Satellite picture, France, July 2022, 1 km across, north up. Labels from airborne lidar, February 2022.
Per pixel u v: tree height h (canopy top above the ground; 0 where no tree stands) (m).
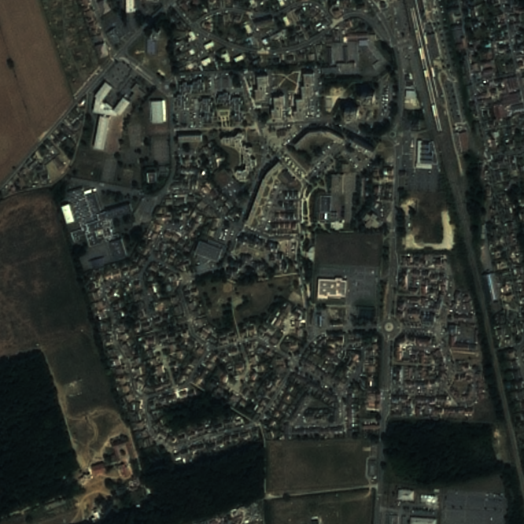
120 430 0
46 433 17
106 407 0
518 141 0
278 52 0
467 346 0
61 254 0
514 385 6
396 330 0
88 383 0
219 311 0
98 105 0
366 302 0
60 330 0
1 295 0
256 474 18
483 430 9
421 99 0
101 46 0
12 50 0
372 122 0
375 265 0
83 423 0
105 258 0
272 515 0
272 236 0
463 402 0
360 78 13
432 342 0
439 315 0
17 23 0
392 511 0
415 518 0
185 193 0
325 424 0
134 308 9
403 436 17
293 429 0
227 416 8
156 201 0
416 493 0
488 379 14
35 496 24
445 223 0
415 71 0
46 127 0
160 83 0
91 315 11
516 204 10
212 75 0
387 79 0
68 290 0
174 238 0
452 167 0
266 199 0
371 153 0
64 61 0
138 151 8
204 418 20
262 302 0
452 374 0
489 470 14
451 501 0
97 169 0
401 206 0
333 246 0
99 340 15
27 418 15
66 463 11
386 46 10
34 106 0
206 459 24
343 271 0
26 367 21
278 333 0
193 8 12
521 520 8
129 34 0
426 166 0
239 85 9
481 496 0
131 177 0
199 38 0
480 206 11
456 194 0
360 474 0
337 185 0
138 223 0
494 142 0
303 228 10
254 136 0
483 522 0
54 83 0
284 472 0
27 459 19
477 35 0
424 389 0
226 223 9
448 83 0
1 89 0
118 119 0
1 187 0
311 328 0
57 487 17
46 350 0
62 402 0
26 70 0
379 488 0
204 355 0
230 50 0
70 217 0
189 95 0
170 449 0
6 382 21
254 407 9
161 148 0
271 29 0
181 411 13
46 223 0
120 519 26
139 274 0
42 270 0
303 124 0
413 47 0
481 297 0
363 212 12
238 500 22
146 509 17
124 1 0
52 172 0
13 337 0
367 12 0
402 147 0
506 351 7
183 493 23
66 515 0
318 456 0
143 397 0
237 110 0
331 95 0
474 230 15
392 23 0
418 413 9
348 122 0
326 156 0
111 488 12
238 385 0
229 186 0
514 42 7
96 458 0
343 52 0
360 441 0
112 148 0
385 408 0
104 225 0
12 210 0
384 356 0
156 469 12
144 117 0
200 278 9
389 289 0
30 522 12
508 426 0
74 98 0
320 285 0
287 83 0
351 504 0
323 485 0
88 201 0
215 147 8
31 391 22
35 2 0
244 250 0
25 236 0
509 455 0
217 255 0
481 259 0
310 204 0
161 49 0
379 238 0
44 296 0
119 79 0
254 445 14
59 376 0
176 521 22
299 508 0
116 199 11
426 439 20
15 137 0
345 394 0
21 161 0
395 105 16
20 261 0
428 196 0
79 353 0
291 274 0
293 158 0
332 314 0
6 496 14
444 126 0
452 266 0
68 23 0
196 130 0
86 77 0
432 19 0
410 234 0
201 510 24
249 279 14
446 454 10
